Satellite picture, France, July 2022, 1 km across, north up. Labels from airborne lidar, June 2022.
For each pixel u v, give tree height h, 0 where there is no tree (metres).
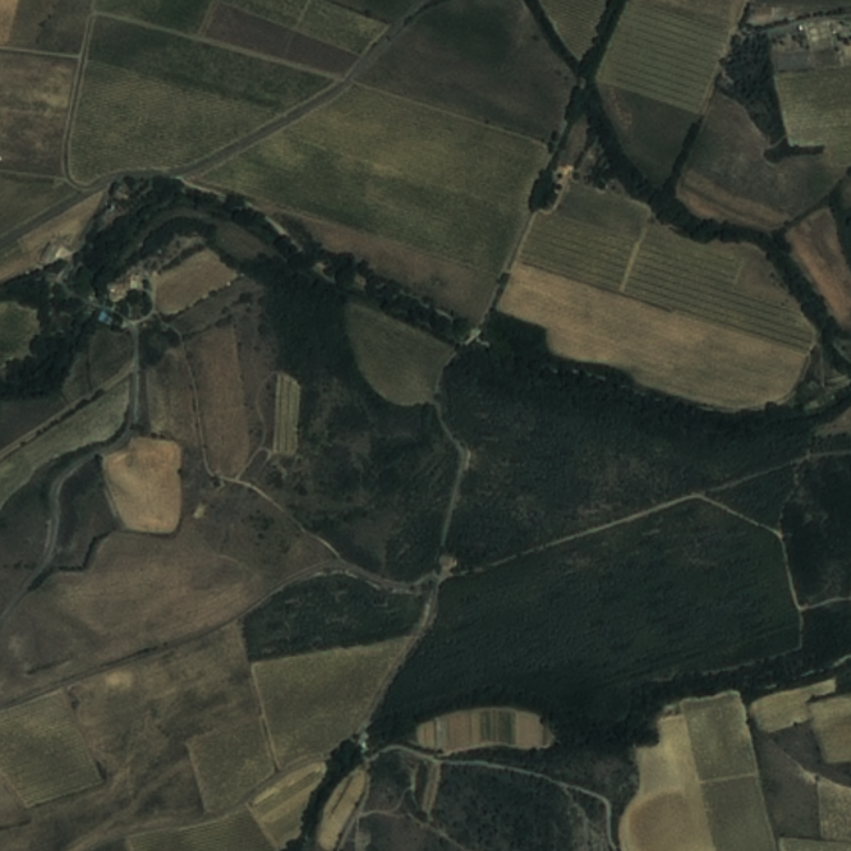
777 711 0
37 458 0
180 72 0
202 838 0
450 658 10
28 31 0
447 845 9
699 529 6
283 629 6
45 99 0
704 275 0
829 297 0
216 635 0
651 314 0
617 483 6
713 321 0
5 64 0
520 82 0
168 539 0
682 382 0
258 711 0
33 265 0
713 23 0
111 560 0
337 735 0
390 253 0
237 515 0
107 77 0
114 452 0
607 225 0
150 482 0
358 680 0
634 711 13
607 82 0
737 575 7
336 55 0
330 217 0
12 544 0
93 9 0
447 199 0
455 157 0
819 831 0
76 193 0
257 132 0
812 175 0
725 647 7
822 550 5
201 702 0
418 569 6
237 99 0
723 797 0
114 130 0
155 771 0
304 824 6
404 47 0
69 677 0
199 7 0
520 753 6
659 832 0
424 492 7
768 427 6
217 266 0
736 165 0
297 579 0
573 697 15
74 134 0
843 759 0
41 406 0
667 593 10
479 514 6
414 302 14
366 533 0
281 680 0
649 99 0
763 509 9
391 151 0
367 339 0
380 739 10
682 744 0
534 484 7
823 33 0
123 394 0
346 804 0
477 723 0
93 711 0
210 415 0
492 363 15
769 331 0
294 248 10
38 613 0
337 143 0
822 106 0
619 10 15
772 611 8
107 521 0
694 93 0
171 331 6
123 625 0
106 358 0
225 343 0
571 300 0
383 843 0
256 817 0
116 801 0
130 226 10
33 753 0
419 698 10
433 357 0
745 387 0
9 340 0
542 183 16
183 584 0
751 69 11
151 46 0
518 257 0
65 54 0
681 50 0
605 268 0
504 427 9
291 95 0
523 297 0
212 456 0
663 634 8
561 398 11
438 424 7
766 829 0
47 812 0
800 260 0
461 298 0
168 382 0
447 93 0
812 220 0
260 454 0
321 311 10
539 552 7
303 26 0
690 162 0
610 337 0
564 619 10
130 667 0
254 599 0
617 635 9
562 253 0
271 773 0
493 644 9
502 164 0
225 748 0
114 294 0
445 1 0
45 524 0
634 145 0
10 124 0
